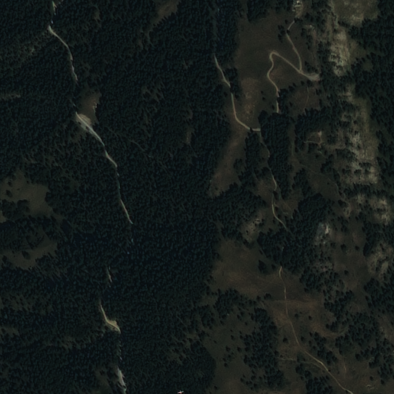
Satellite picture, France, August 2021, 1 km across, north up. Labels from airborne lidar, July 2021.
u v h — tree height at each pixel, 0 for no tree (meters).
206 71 17
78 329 17
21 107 18
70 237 25
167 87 22
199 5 16
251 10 18
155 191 22
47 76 18
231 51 13
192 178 18
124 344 17
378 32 10
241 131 0
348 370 0
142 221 16
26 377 12
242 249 0
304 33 9
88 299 20
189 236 18
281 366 0
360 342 25
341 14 0
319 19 10
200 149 20
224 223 17
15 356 26
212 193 0
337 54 0
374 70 11
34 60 12
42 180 24
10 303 11
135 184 21
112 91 20
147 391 19
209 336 15
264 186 0
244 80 0
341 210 0
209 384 20
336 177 17
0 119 18
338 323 10
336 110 21
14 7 10
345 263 0
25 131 15
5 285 19
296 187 19
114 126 20
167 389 22
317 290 11
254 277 0
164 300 20
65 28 19
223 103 15
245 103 0
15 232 29
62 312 9
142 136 21
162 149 16
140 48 15
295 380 0
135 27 16
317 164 0
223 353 0
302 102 0
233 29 11
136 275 18
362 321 14
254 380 12
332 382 0
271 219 0
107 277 25
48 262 10
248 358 11
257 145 12
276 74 0
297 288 0
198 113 20
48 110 10
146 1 18
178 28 19
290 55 0
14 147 18
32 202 0
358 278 0
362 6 0
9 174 8
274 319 0
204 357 21
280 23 0
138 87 15
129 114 19
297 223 13
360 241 0
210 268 13
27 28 11
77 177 20
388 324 0
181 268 21
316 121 17
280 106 11
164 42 20
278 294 0
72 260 16
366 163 9
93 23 19
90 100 0
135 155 15
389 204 0
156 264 24
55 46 15
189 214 18
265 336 13
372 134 0
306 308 0
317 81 0
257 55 0
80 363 21
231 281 0
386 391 0
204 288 16
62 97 13
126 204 21
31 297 17
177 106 18
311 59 0
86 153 18
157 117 19
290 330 0
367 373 0
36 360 28
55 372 23
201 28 18
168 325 15
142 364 19
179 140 21
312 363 0
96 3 14
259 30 0
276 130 13
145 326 19
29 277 21
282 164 12
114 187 19
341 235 0
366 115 0
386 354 13
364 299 0
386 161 0
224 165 0
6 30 14
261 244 18
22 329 14
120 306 18
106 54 19
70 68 16
